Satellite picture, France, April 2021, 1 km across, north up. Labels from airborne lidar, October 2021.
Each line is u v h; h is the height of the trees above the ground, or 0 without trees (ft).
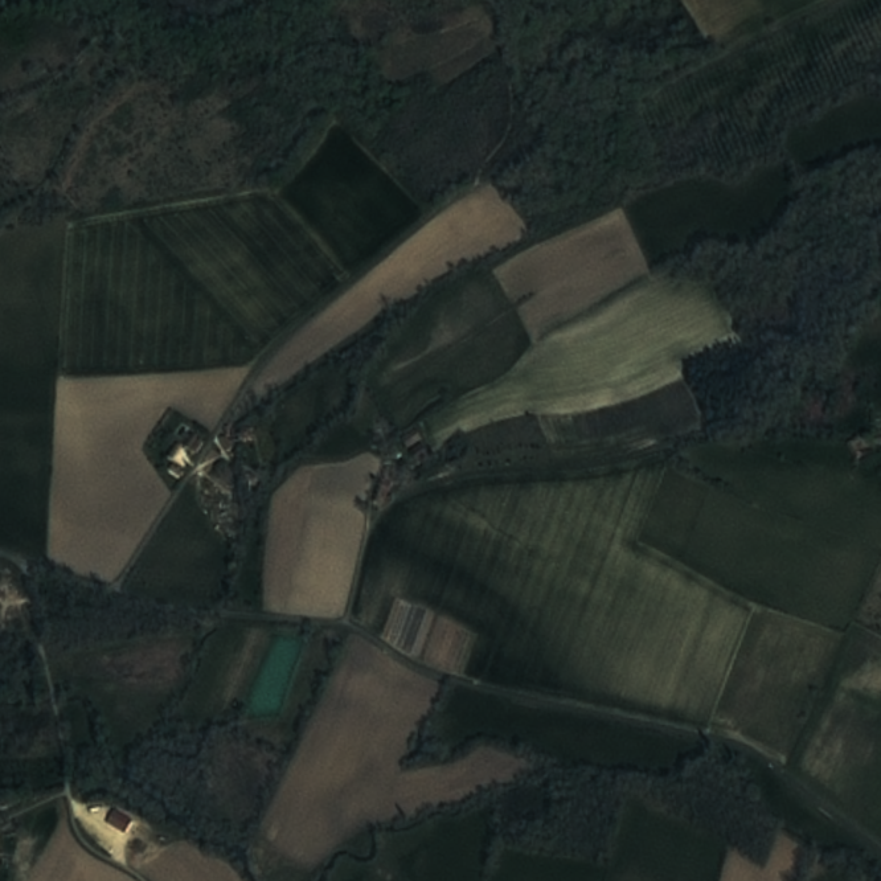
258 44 88
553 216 52
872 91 57
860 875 76
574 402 0
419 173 31
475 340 0
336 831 0
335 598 0
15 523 0
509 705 0
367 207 0
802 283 60
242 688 0
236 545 53
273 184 74
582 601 0
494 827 66
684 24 42
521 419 0
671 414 0
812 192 51
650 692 0
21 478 0
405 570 0
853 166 53
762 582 0
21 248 0
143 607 48
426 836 0
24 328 0
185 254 0
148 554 0
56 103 40
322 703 33
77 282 0
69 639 59
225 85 26
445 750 58
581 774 52
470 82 39
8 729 46
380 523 0
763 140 66
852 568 0
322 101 88
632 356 0
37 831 0
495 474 0
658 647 0
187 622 43
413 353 0
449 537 0
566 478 0
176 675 0
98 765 72
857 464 29
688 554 0
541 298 0
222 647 0
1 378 0
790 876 0
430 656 0
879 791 0
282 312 0
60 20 52
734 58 0
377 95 85
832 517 0
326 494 0
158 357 0
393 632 0
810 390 20
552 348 0
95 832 0
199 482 0
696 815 67
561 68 38
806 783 0
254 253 0
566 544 0
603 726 0
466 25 0
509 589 0
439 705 43
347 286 0
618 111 77
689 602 0
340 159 0
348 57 74
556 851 64
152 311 0
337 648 52
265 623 0
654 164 80
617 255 0
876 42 76
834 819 0
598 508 0
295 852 0
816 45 68
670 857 0
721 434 60
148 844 0
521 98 46
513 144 26
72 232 0
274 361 0
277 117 32
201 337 0
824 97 79
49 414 0
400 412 0
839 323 95
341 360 41
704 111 63
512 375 0
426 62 0
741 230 0
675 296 0
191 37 65
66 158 55
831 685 0
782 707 0
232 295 0
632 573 0
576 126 77
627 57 83
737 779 84
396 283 0
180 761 53
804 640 0
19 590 0
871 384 19
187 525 0
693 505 0
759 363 58
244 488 51
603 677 0
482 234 0
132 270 0
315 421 0
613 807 71
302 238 0
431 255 0
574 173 75
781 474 0
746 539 0
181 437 36
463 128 41
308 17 71
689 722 0
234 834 29
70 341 0
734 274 67
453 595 0
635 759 0
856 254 83
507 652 0
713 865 0
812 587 0
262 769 0
